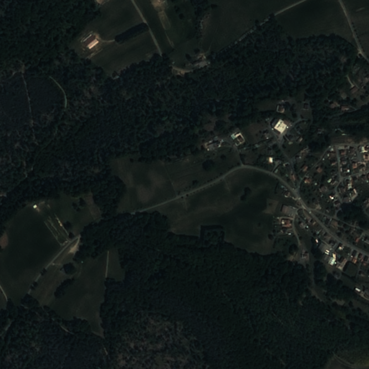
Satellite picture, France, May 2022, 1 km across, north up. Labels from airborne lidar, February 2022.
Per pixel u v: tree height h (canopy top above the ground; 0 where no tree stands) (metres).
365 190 0
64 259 0
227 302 32
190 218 0
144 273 24
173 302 24
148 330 29
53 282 0
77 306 0
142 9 0
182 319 21
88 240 19
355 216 23
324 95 14
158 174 0
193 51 0
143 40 0
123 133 10
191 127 25
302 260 0
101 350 26
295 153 0
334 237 0
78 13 23
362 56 12
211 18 0
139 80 27
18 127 11
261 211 0
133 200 0
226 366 22
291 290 21
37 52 31
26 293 0
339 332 23
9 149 7
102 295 0
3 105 13
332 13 0
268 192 0
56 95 12
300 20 0
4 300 0
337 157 0
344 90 0
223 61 28
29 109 10
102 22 0
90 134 12
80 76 11
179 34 0
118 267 0
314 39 11
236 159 0
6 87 13
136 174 0
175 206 0
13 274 0
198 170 0
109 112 10
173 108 9
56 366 10
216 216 0
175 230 0
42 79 14
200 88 12
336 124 0
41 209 0
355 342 20
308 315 12
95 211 0
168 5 0
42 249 0
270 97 8
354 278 10
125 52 0
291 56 7
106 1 0
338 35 0
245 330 34
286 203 0
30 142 9
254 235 0
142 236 23
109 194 25
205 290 35
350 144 0
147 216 15
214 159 0
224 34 0
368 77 0
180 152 18
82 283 0
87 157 9
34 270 0
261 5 0
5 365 7
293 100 0
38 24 28
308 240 0
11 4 30
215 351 22
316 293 0
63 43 27
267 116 9
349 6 0
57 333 9
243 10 0
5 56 25
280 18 0
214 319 22
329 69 14
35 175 28
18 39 25
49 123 7
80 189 20
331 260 0
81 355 9
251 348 30
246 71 0
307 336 24
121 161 0
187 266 27
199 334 22
